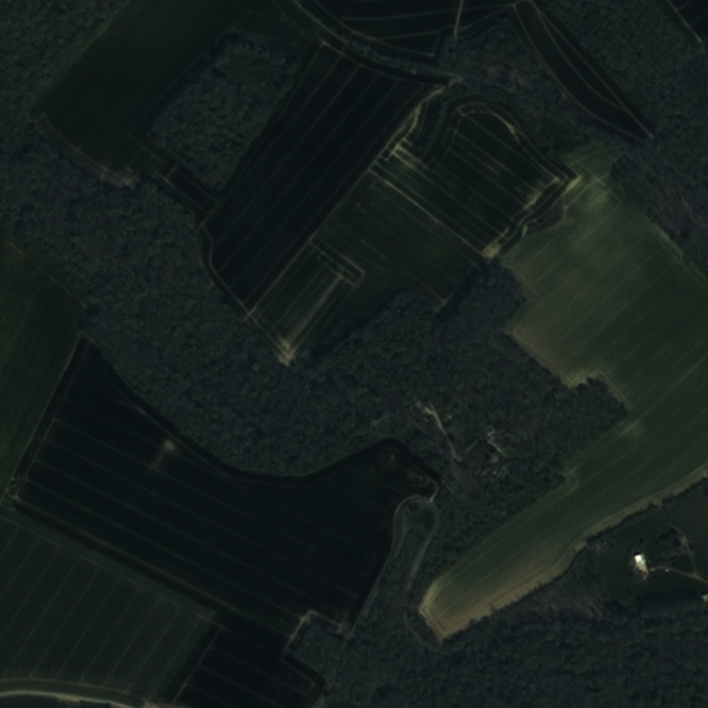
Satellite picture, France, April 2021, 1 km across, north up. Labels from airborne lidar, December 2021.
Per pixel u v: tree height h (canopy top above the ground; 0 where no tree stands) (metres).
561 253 0
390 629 24
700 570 0
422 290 0
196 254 20
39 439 0
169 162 0
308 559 0
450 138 0
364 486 0
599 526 0
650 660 20
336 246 0
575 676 15
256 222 0
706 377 0
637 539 0
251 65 9
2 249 0
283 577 0
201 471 0
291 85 21
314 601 0
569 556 0
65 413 0
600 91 0
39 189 28
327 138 0
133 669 0
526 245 0
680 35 17
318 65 0
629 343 0
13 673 0
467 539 18
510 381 23
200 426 24
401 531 0
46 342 0
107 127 0
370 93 0
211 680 0
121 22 0
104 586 0
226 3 0
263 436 25
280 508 0
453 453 19
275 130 0
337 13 0
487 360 25
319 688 0
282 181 0
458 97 8
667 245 0
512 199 0
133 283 13
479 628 20
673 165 25
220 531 0
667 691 17
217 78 22
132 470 0
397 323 21
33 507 0
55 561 0
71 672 0
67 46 25
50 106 0
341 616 0
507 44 12
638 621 25
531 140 0
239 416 29
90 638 0
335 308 0
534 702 22
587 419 26
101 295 23
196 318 16
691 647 19
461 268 0
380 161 0
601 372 0
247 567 0
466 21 0
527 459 20
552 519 0
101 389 0
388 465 0
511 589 0
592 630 24
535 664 22
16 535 0
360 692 25
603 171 0
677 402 0
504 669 20
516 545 0
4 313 0
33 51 26
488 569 0
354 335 18
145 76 0
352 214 0
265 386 11
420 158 0
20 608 0
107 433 0
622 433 0
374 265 0
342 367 21
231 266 0
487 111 0
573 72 0
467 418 18
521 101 25
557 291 0
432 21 0
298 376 15
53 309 0
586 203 0
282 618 0
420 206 0
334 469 0
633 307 0
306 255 0
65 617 0
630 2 24
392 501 0
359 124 0
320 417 14
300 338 0
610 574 0
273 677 0
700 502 0
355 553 0
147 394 16
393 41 0
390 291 0
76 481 0
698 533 0
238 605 0
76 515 0
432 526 0
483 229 0
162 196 18
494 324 29
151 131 9
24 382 0
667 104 22
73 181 33
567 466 14
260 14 0
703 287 0
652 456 0
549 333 0
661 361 0
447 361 25
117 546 0
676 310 0
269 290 0
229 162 19
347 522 0
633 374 0
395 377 26
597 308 0
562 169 0
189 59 0
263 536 0
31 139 10
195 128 22
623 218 0
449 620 0
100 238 27
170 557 0
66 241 24
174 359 16
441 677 24
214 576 0
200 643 0
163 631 0
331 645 24
